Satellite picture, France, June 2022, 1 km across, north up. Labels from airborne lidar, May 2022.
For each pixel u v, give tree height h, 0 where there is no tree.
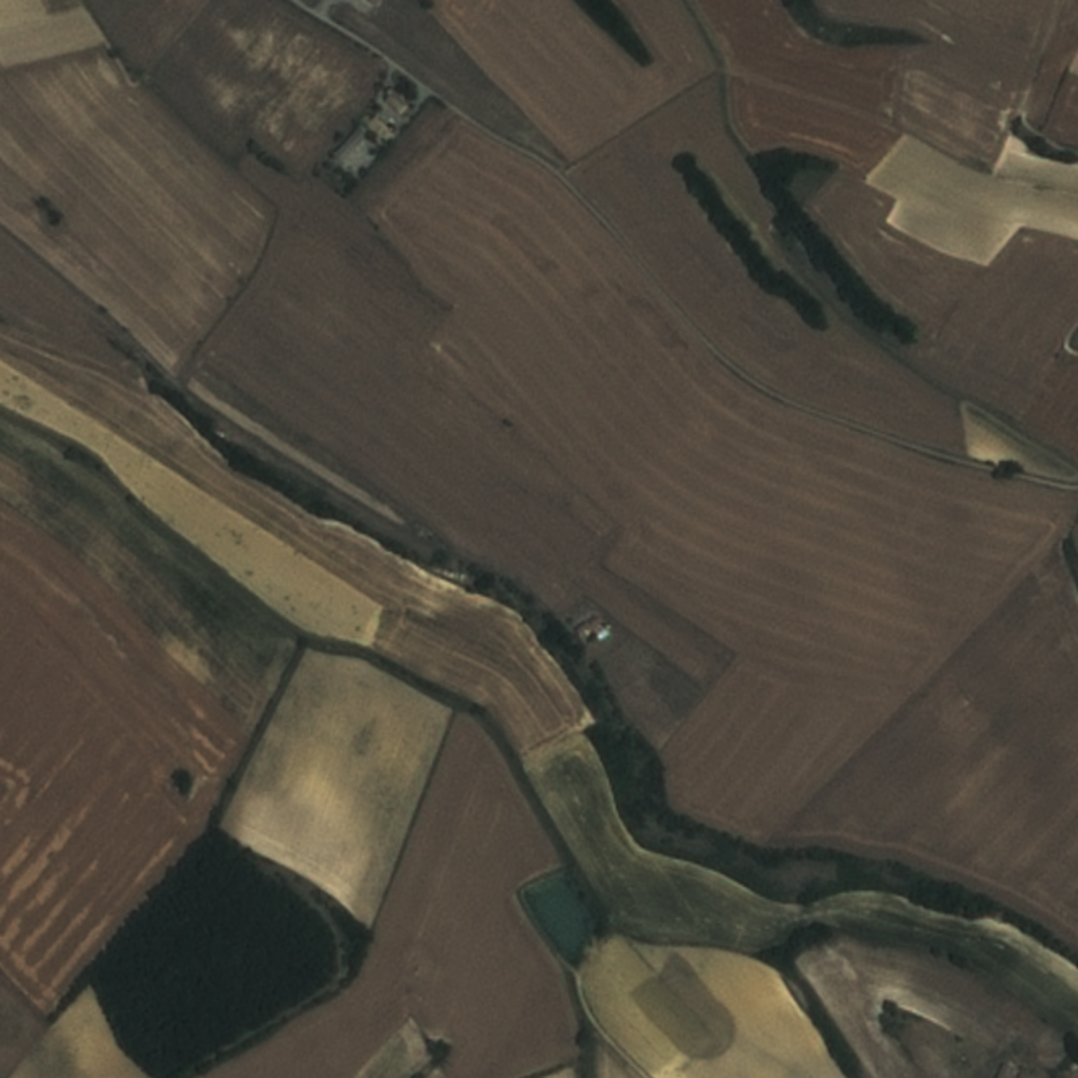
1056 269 0
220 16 0
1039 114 0
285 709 0
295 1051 0
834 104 0
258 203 0
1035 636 0
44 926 0
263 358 0
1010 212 0
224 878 14
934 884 8
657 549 0
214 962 12
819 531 0
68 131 0
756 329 0
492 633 0
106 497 0
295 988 12
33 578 0
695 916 0
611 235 0
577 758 0
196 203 0
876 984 0
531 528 0
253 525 0
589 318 0
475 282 0
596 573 0
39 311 0
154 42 0
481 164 0
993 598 0
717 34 0
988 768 0
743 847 6
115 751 0
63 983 0
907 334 13
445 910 0
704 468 0
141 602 0
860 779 0
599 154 0
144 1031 17
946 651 0
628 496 0
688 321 0
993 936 0
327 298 0
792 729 0
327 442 0
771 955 6
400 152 0
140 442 0
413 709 0
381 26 0
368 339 0
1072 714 0
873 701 0
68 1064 0
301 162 0
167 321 0
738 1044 0
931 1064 0
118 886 0
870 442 0
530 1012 0
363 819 0
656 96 0
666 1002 0
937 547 0
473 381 0
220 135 0
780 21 0
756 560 0
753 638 0
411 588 0
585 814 0
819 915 0
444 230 0
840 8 0
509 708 0
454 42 0
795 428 0
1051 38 0
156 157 0
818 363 0
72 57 0
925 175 0
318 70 0
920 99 0
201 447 0
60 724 0
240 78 0
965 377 0
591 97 0
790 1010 0
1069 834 0
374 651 0
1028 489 0
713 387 0
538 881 0
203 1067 11
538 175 0
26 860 0
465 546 0
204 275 0
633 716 0
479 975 0
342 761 0
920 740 0
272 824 0
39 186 0
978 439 0
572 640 10
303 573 0
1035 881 0
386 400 0
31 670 0
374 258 0
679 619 0
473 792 0
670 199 0
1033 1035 0
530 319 0
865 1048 0
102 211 0
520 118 0
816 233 11
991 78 0
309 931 14
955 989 0
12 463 0
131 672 0
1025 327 0
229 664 0
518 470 0
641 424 0
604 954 0
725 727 0
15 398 0
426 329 0
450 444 0
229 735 0
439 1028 0
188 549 0
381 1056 0
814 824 0
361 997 0
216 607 0
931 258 0
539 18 0
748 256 13
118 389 0
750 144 0
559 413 0
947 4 0
